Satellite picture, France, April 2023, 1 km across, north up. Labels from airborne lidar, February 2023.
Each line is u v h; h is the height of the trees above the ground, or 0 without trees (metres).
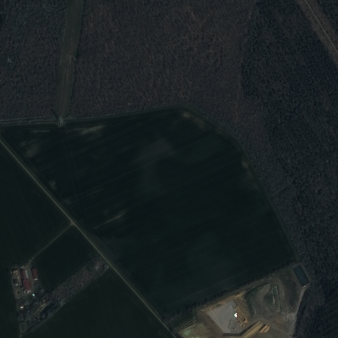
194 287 0
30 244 0
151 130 0
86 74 16
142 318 0
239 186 0
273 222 0
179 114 0
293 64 16
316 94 17
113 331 0
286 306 0
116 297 0
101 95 14
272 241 0
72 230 0
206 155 0
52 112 10
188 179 0
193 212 0
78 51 9
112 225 0
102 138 0
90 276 0
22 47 11
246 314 0
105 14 14
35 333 0
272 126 18
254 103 17
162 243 0
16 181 0
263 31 16
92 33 17
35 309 9
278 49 16
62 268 0
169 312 0
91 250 0
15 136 0
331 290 24
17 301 10
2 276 0
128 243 0
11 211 0
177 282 0
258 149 13
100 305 0
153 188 0
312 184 18
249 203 0
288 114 14
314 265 15
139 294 0
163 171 0
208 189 0
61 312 0
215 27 15
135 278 0
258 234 0
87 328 0
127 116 0
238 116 13
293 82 17
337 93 15
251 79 19
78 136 0
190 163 0
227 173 0
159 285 0
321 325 20
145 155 0
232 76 16
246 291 0
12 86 13
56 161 0
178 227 0
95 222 0
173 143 0
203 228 0
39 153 0
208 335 0
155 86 17
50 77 14
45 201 0
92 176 0
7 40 10
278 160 14
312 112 17
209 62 18
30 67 14
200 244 0
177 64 18
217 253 0
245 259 0
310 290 8
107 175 0
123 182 0
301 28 16
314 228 6
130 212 0
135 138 0
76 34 0
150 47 15
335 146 17
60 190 0
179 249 0
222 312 0
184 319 0
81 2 0
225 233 0
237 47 12
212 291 0
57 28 13
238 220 0
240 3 14
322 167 18
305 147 18
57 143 0
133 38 13
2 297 0
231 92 14
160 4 12
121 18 16
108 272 0
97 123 0
